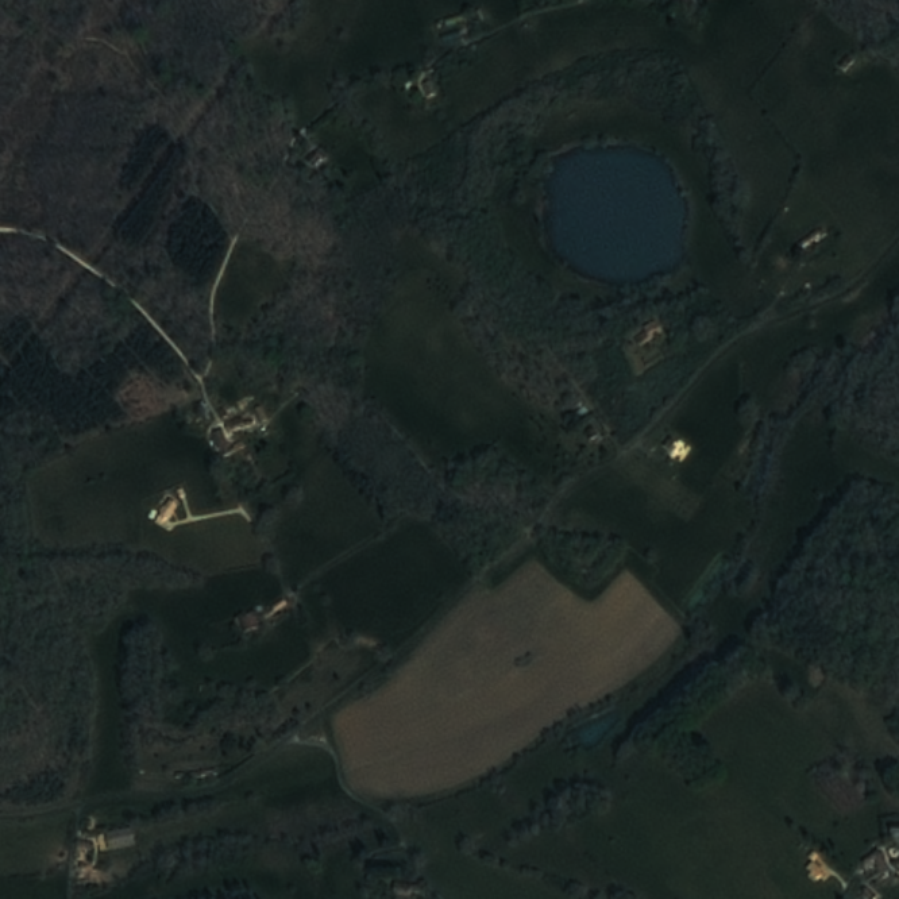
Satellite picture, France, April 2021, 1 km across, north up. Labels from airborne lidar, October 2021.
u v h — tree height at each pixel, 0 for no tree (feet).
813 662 73
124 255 34
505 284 53
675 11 30
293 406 0
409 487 62
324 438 69
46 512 0
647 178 0
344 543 0
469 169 52
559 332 47
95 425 32
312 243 42
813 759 0
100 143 34
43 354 47
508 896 0
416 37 0
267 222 55
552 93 51
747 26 0
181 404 0
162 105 38
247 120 64
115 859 0
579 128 0
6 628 40
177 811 61
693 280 0
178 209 35
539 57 0
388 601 0
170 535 0
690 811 0
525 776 0
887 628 84
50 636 64
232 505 0
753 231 0
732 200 53
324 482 0
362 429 66
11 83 33
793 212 0
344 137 0
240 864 36
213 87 0
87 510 0
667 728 68
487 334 72
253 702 53
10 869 0
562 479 39
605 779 0
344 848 0
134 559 58
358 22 0
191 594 0
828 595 83
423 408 0
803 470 0
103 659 0
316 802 0
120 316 55
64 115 45
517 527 63
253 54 0
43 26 39
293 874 0
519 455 0
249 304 0
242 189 54
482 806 0
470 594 0
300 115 0
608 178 0
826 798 44
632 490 0
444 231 58
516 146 35
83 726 50
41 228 39
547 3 19
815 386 48
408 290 0
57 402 47
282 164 49
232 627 23
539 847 0
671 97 28
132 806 0
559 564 50
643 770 0
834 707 0
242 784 0
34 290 52
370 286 53
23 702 52
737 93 0
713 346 23
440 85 18
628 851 0
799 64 0
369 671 0
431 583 0
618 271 0
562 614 0
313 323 55
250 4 22
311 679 0
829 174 0
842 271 0
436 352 0
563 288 0
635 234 0
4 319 39
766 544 0
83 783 0
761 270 0
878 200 0
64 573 75
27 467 44
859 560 72
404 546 0
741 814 0
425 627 0
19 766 41
